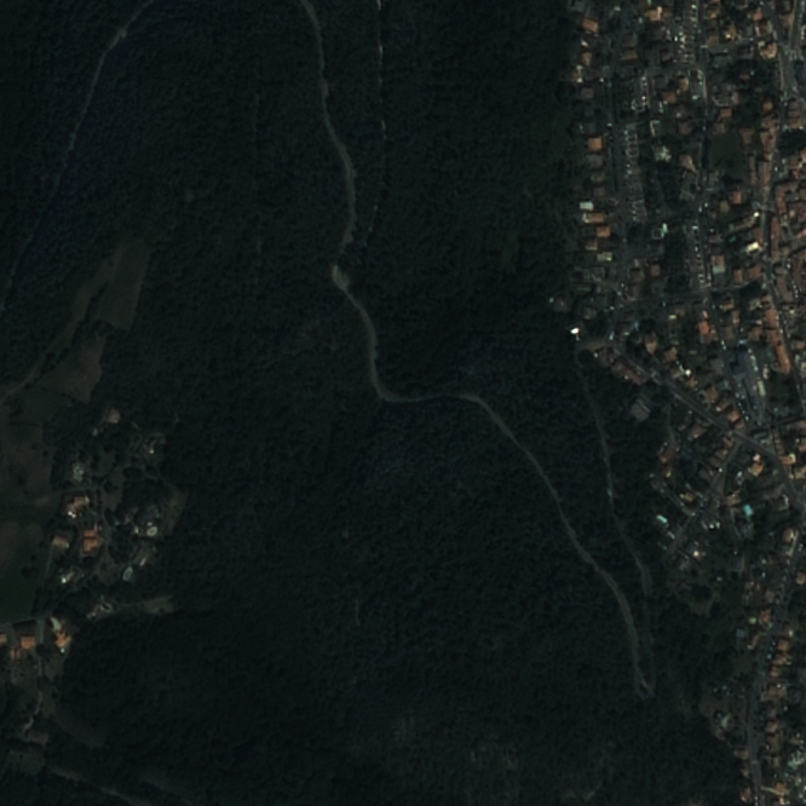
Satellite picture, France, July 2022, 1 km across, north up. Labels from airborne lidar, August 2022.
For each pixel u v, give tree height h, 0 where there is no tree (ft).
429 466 77
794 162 0
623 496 70
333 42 63
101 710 79
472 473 37
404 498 67
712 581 22
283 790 33
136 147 39
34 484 0
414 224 78
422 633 35
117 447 36
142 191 37
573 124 24
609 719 57
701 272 0
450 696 66
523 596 46
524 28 89
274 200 44
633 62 20
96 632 52
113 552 31
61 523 32
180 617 50
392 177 79
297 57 26
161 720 52
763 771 24
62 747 49
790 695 0
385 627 66
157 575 31
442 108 76
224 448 45
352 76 75
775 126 24
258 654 55
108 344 23
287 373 22
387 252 64
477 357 91
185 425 41
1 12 76
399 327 73
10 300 33
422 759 49
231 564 52
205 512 43
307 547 29
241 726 54
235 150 50
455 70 78
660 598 54
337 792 88
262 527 27
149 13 46
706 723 26
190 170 39
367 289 59
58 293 30
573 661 43
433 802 73
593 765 47
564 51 32
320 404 49
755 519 26
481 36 66
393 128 60
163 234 33
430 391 52
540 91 39
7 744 56
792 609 43
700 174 0
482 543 21
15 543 0
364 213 52
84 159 27
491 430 40
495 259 59
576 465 94
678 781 56
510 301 80
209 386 53
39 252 54
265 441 59
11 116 75
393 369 61
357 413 68
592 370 74
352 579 57
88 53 51
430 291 68
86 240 69
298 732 61
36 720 44
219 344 29
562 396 89
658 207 23
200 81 49
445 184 82
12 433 0
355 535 42
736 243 22
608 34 36
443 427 66
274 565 38
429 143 30
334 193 39
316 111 58
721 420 0
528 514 36
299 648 34
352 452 71
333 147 40
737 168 0
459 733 50
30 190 53
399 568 39
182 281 45
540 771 48
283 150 77
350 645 38
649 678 46
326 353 52
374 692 43
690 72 0
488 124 46
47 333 39
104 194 65
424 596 33
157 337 23
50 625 37
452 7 56
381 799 84
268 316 84
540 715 54
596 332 30
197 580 22
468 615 44
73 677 70
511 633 41
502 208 49
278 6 56
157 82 43
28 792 54
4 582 0
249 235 66
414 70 104
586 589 67
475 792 47
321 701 42
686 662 56
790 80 0
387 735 28
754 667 29
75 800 65
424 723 24
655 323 42
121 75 39
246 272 61
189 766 74
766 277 0
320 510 52
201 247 55
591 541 95
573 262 19
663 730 26
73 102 65
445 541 37
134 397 32
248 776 70
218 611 46
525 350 80
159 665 36
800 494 0
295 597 22
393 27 75
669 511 24
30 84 56
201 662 51
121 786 65
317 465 48
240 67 54
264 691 46
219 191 46
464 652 21
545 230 46
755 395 0
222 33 74
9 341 31
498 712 35
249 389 41
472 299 74
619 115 31
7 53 81
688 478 54
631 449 62
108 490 40
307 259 72
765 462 20
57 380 0
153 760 66
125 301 0
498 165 49
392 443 53
